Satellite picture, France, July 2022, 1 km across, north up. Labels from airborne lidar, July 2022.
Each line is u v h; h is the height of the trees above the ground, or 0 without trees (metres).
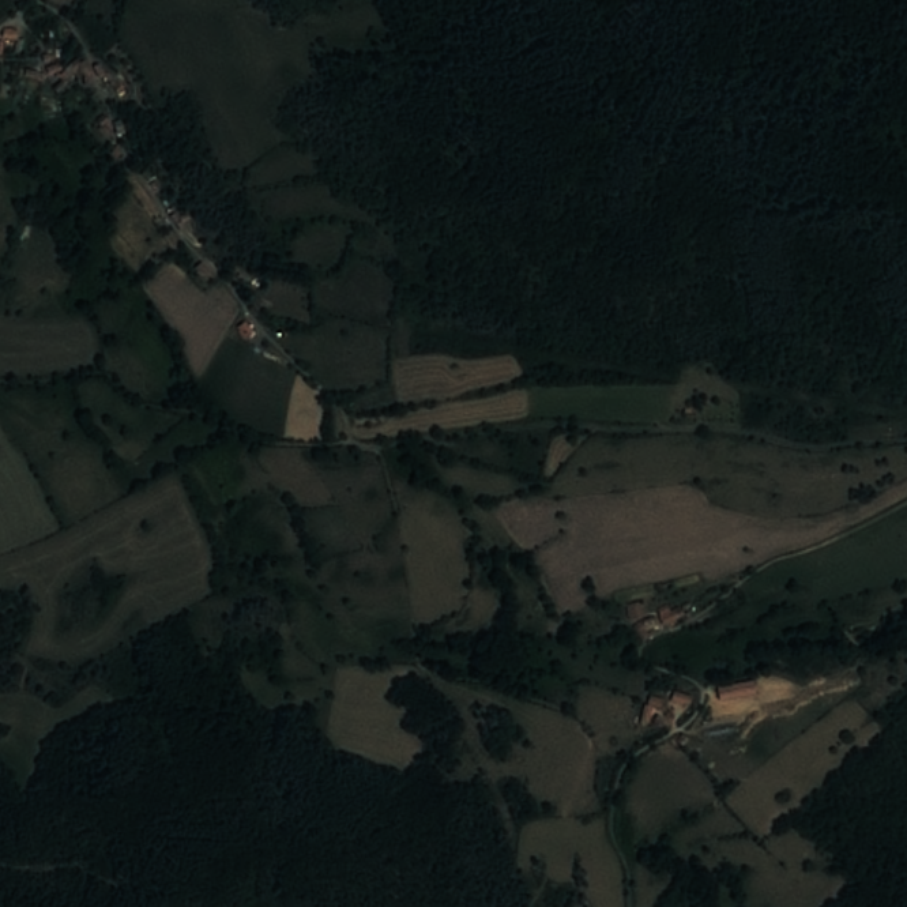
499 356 0
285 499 12
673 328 12
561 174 12
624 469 0
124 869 20
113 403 0
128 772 21
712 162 26
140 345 0
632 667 15
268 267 17
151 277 16
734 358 10
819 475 0
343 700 0
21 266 0
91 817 11
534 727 0
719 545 0
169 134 12
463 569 0
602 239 18
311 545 15
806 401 0
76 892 12
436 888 19
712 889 22
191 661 11
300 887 19
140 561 0
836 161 19
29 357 0
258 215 11
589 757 0
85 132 12
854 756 14
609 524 0
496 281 11
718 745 0
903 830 19
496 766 0
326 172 9
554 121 15
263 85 0
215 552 13
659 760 0
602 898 0
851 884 9
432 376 0
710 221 12
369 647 0
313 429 0
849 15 14
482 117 16
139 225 0
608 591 0
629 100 22
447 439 8
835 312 11
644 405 0
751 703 0
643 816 0
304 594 0
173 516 0
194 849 20
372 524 0
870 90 11
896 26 26
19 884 12
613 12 22
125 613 0
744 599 7
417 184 13
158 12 0
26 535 0
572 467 0
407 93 16
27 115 0
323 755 20
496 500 8
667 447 0
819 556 0
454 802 17
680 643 0
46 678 0
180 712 23
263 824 20
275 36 0
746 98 20
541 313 11
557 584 0
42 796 15
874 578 0
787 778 0
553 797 0
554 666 11
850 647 7
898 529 0
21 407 0
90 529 0
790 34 11
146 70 0
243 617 15
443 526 0
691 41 12
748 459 0
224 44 0
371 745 0
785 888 0
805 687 0
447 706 16
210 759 24
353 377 0
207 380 0
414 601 0
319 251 0
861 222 13
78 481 0
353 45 0
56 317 0
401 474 0
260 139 0
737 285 18
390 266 12
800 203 16
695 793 0
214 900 19
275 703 0
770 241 19
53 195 10
